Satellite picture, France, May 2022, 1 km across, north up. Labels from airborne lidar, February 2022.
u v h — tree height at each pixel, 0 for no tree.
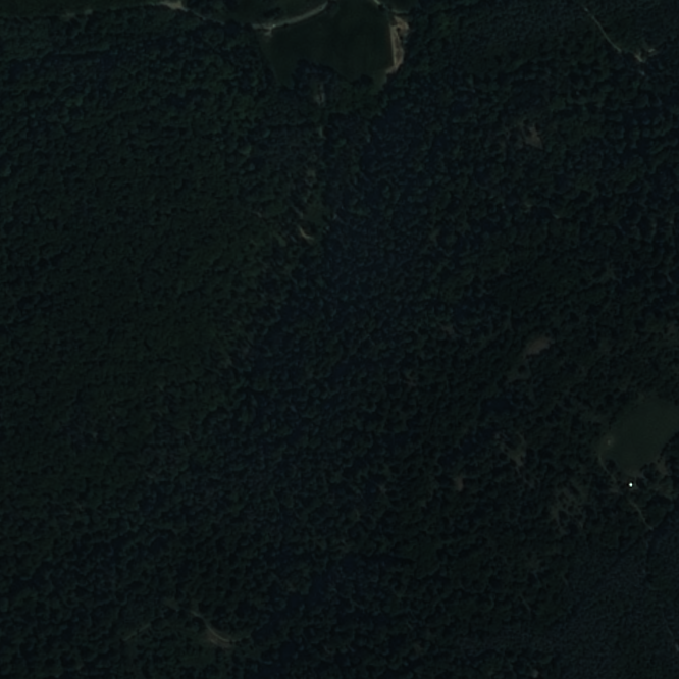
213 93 33
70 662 26
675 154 36
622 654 26
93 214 31
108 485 31
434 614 19
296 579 37
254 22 0
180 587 20
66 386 28
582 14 28
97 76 31
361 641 27
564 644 24
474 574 16
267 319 36
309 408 33
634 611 22
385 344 32
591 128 31
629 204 16
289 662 32
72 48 24
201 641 0
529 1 22
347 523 34
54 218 33
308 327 32
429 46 27
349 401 33
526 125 14
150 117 34
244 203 25
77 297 29
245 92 35
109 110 34
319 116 20
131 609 15
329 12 9
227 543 26
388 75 0
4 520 31
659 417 0
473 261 32
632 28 13
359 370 36
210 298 28
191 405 33
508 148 15
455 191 31
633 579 26
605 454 0
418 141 36
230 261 28
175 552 13
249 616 33
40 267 25
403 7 0
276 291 36
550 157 17
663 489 0
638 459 0
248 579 10
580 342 10
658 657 21
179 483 37
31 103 24
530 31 28
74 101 32
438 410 14
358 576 36
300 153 17
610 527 15
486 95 25
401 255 31
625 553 23
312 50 0
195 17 19
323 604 36
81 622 31
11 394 30
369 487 33
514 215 32
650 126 37
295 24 0
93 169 33
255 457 29
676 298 32
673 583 25
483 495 13
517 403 34
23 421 29
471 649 22
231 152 31
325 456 31
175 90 37
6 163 34
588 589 23
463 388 9
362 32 0
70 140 34
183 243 26
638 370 8
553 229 29
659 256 16
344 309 32
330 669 32
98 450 32
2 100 28
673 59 12
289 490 30
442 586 25
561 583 13
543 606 16
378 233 35
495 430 20
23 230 34
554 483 9
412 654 29
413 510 15
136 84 31
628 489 6
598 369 7
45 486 34
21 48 23
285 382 28
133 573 31
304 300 32
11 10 19
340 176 33
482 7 27
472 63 17
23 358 28
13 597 25
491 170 25
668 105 37
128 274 26
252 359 14
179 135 31
